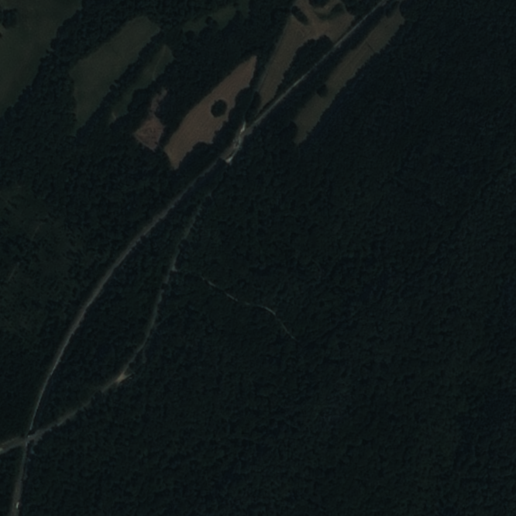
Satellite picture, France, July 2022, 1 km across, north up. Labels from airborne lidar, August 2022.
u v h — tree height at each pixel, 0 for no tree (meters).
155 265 25
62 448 16
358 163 22
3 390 18
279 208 22
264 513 20
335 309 29
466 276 18
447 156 26
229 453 26
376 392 24
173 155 0
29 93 19
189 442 25
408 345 27
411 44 18
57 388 20
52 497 21
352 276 31
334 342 28
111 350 31
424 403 18
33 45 0
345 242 18
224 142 20
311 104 0
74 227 24
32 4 0
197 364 23
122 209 11
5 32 0
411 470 21
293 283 19
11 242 25
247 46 13
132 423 19
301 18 17
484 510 18
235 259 30
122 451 17
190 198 15
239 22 19
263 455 26
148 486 22
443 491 16
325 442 18
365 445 30
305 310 21
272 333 26
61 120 16
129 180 23
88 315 12
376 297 17
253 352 24
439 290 23
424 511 16
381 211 15
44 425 10
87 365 19
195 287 21
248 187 22
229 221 22
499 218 19
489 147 31
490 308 32
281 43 0
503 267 21
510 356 22
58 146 18
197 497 29
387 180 18
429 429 17
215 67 19
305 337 23
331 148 20
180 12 14
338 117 21
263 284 20
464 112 19
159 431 20
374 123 22
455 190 29
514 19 29
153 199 11
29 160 15
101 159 10
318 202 19
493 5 22
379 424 25
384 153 25
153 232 7
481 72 25
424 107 22
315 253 28
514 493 19
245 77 0
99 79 0
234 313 22
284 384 25
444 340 24
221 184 21
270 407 23
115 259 13
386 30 0
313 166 20
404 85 19
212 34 15
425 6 13
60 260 8
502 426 18
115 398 15
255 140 22
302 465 19
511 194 21
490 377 23
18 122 19
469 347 17
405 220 21
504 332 25
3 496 24
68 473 18
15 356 18
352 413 23
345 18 0
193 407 18
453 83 18
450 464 16
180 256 7
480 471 20
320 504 24
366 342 17
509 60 22
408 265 18
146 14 11
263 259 25
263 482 17
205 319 17
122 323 24
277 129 19
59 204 22
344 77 0
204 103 0
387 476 24
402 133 26
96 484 14
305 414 22
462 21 23
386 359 24
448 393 17
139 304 24
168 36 17
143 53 13
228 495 27
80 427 24
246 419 26
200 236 16
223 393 21
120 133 20
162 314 19
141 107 22
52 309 21
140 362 12
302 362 24
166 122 21
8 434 11
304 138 0
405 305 21
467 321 20
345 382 18
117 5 22
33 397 9
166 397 19
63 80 17
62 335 16
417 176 26
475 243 18
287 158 21
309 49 13
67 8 0
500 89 27
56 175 22
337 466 27
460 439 16
